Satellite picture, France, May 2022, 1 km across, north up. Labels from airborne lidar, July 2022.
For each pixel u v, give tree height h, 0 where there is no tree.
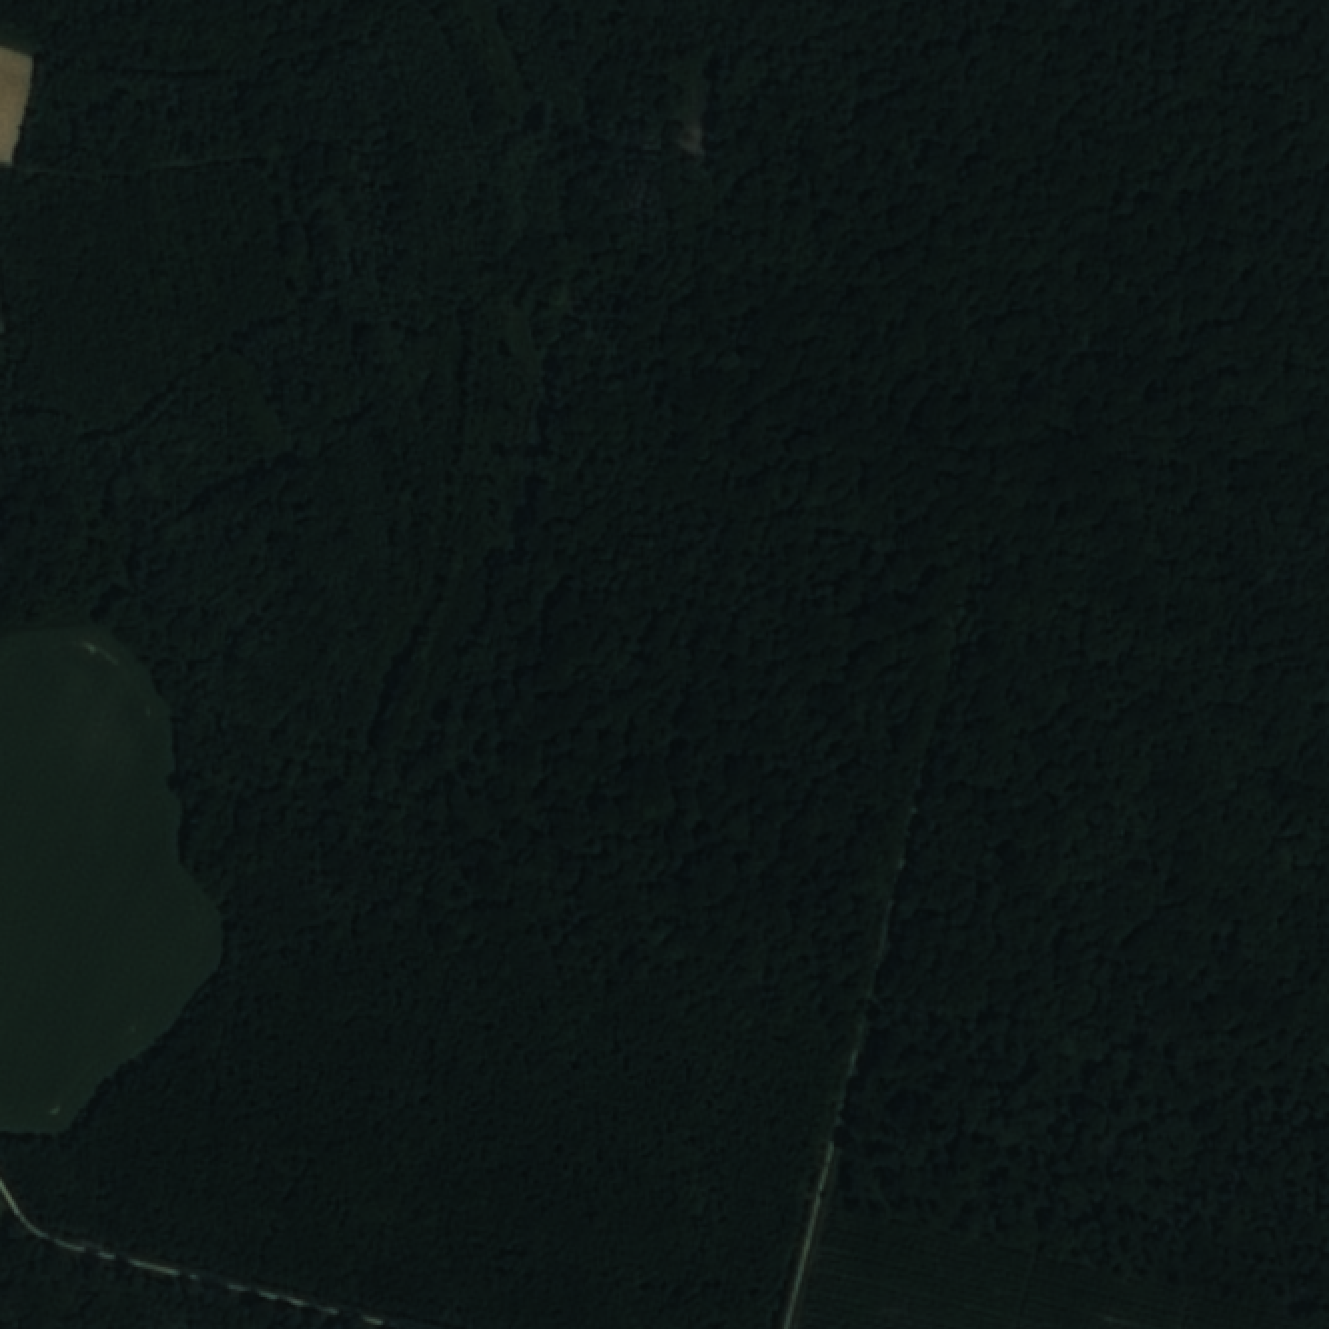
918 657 20
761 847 23
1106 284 17
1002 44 21
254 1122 18
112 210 12
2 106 0
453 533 10
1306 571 21
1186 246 23
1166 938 24
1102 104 20
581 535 20
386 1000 16
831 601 22
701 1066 17
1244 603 21
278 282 10
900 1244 5
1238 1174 21
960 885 24
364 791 14
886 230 21
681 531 20
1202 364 23
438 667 8
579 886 24
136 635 20
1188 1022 23
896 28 17
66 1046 0
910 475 25
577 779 28
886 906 8
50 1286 18
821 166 15
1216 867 24
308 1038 16
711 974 16
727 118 18
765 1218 15
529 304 18
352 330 11
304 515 18
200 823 24
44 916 0
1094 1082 18
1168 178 23
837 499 25
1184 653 17
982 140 23
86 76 9
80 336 10
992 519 23
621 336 22
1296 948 22
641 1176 15
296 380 25
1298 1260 16
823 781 24
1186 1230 24
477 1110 15
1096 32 22
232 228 9
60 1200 16
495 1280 16
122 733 0
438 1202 16
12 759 0
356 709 20
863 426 22
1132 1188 25
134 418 10
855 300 27
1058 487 30
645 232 20
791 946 19
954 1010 19
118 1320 19
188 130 10
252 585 16
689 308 25
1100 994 24
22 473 21
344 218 20
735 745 20
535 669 28
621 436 18
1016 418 29
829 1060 15
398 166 24
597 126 24
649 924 14
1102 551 25
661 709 23
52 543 22
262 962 17
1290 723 24
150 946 0
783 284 27
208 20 14
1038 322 22
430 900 23
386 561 17
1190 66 23
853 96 12
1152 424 26
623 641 22
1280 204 24
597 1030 17
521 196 20
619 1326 16
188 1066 15
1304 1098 20
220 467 10
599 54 16
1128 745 20
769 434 19
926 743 10
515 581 23
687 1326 16
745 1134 15
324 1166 22
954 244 24
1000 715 21
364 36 16
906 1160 24
